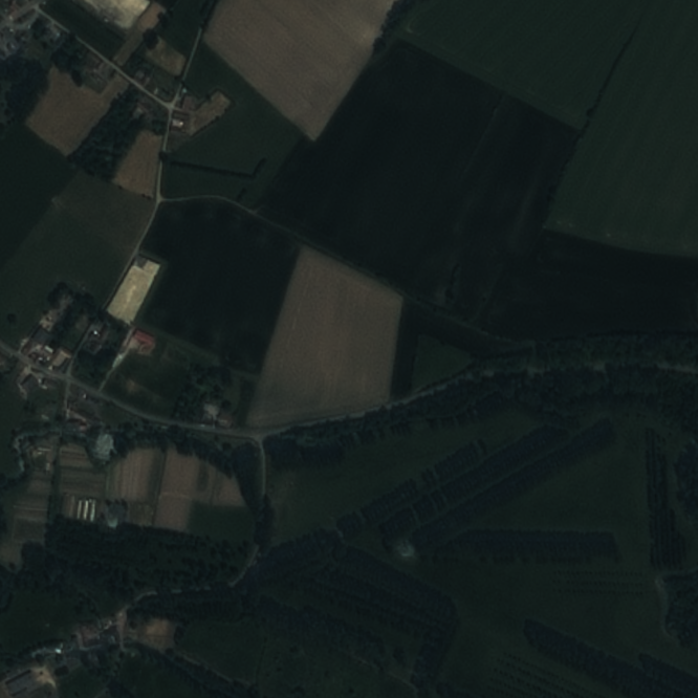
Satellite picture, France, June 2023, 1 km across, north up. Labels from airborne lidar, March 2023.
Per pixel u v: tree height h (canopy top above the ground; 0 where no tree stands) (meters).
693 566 0
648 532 0
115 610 0
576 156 0
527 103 0
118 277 0
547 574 0
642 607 0
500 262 0
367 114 0
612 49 0
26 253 0
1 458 0
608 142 0
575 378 36
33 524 0
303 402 0
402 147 0
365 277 0
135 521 0
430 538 32
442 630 34
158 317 0
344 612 0
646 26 0
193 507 0
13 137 0
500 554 32
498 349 0
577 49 0
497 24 0
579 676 0
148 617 7
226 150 0
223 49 0
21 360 0
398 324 0
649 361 16
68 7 0
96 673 13
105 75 0
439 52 0
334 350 0
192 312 0
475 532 0
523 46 0
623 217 0
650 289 0
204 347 0
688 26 0
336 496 0
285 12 0
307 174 0
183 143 0
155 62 0
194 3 0
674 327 0
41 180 0
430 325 0
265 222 0
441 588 0
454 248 0
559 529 0
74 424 0
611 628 0
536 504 0
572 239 0
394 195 0
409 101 0
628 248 0
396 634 0
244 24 0
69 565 31
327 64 0
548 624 0
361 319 0
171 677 0
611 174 0
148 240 0
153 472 0
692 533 0
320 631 36
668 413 9
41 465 0
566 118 0
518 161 0
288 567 36
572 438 0
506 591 0
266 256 0
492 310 0
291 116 0
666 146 0
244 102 0
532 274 0
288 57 0
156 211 0
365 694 0
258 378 0
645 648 0
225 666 0
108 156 11
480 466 0
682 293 0
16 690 0
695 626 34
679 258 0
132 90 6
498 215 0
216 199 0
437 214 0
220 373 13
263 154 0
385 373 0
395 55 0
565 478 0
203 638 0
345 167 0
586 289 0
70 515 0
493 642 0
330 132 0
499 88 0
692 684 34
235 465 9
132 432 15
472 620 0
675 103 0
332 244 0
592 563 0
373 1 0
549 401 31
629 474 0
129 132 15
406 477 0
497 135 0
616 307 0
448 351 0
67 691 0
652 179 0
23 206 0
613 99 0
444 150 0
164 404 0
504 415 0
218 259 0
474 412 28
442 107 0
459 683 0
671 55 0
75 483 0
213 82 0
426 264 0
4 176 0
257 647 0
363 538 0
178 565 0
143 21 0
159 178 0
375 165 0
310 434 11
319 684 0
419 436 0
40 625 0
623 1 0
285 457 37
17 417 0
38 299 0
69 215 0
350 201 0
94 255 0
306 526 0
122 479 0
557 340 9
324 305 0
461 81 0
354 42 0
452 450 0
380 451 0
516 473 0
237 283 0
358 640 30
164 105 0
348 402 0
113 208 0
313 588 33
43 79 31
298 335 0
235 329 0
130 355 0
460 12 0
